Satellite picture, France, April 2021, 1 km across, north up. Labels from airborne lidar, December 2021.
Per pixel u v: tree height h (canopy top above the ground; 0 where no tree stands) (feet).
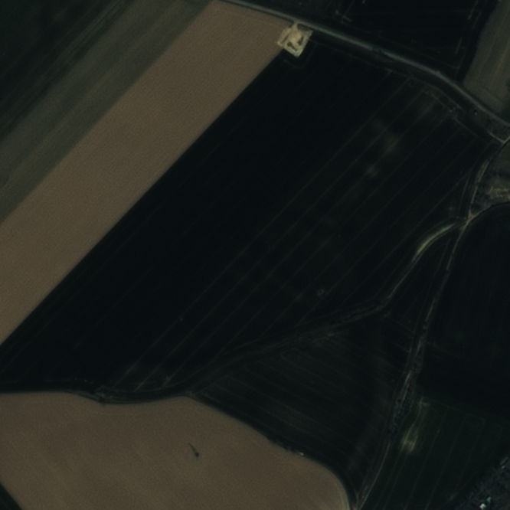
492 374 0
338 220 0
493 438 0
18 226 0
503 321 0
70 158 0
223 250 0
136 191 0
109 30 0
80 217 0
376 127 0
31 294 0
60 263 0
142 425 0
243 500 0
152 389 0
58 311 0
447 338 0
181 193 0
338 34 0
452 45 0
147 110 0
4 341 0
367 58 0
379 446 0
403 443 0
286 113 0
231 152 0
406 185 0
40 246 0
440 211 0
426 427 0
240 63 0
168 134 0
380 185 0
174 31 0
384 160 0
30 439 0
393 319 0
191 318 0
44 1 0
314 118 0
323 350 0
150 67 0
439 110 0
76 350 0
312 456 0
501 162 0
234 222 0
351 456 0
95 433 0
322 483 0
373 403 0
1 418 0
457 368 0
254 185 0
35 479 0
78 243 0
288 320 0
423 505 0
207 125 0
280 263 0
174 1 0
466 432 0
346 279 0
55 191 0
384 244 0
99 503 0
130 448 0
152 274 0
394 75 0
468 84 0
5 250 0
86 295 0
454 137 0
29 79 0
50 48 0
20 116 0
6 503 0
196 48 0
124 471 0
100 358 0
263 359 0
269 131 0
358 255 0
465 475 0
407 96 0
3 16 0
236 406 0
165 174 0
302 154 0
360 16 0
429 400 0
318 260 0
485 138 0
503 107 0
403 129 0
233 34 0
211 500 0
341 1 0
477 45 31
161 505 0
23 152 0
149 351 0
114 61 0
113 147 0
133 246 0
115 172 0
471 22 0
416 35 0
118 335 0
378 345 0
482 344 0
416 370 44
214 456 0
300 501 0
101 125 0
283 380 0
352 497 0
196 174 0
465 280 0
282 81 0
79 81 0
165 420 0
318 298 0
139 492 0
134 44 0
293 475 0
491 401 0
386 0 0
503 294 0
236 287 0
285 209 0
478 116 0
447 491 0
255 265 0
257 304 0
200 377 0
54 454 0
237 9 0
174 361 0
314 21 0
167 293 0
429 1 0
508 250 0
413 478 0
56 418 0
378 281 0
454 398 0
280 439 0
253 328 0
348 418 0
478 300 0
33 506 0
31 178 0
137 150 0
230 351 0
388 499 0
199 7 0
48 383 0
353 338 0
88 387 0
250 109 0
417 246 0
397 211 0
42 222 0
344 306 0
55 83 0
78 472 0
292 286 0
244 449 0
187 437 0
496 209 0
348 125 0
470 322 0
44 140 0
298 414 0
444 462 0
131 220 0
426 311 0
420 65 0
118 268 0
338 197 0
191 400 0
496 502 63
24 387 0
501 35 0
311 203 0
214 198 0
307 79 0
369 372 0
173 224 0
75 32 0
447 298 0
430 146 0
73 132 0
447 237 0
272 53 0
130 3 0
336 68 0
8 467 0
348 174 0
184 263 0
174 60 0
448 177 0
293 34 0
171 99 0
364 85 0
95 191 0
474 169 0
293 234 0
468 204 0
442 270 0
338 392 0
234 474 0
